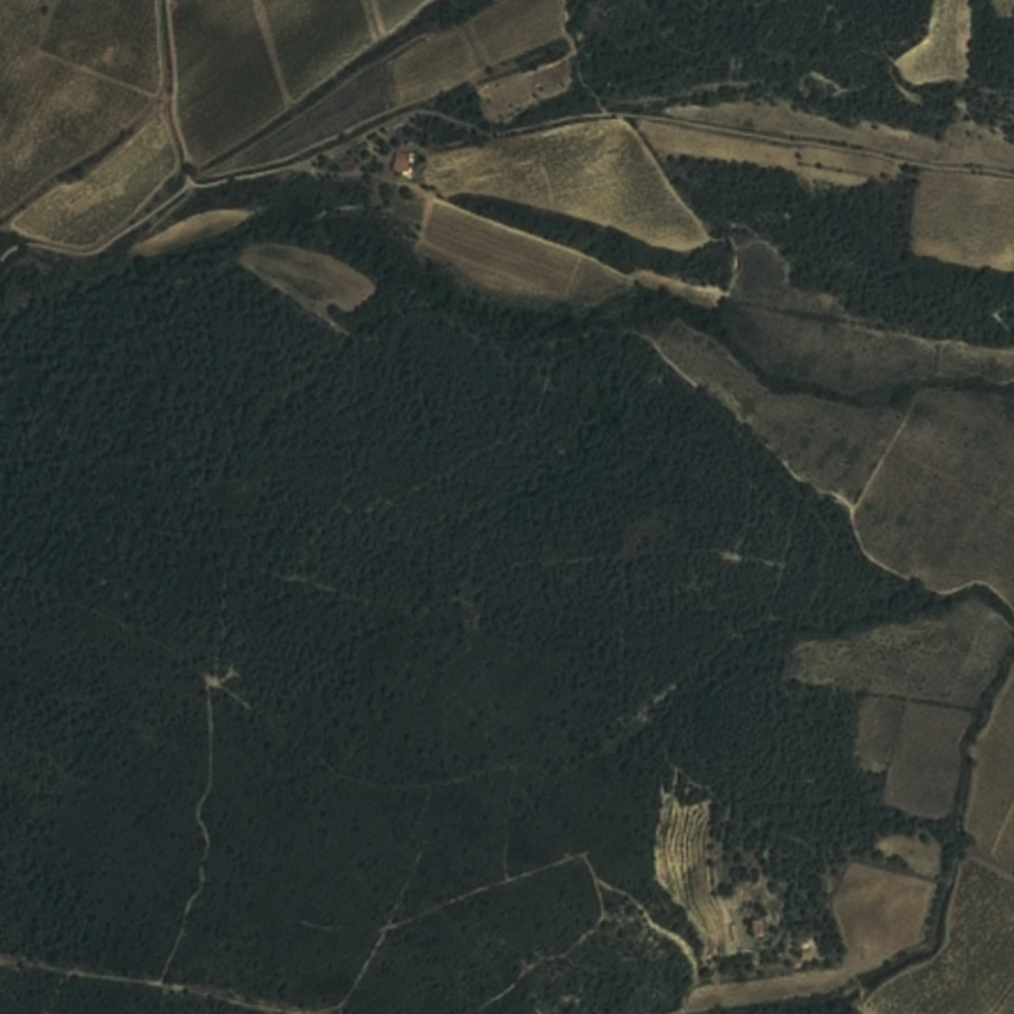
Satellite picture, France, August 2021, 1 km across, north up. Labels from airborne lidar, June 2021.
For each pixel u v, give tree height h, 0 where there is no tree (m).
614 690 8
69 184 0
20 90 0
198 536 15
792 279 7
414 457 9
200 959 0
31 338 9
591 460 17
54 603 7
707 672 12
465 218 0
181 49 0
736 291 0
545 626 6
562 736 0
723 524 10
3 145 0
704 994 0
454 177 0
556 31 0
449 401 9
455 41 0
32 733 8
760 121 0
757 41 9
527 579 8
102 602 6
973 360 0
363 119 0
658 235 0
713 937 0
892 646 0
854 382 0
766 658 9
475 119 10
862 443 0
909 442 0
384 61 0
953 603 13
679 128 0
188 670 9
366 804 0
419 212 0
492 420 10
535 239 0
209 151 0
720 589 9
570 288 0
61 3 0
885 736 0
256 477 12
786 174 10
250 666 10
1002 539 0
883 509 0
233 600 11
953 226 0
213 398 11
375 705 8
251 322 9
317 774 8
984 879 0
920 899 0
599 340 12
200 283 12
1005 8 0
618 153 0
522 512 9
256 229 6
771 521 8
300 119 0
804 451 0
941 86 7
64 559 10
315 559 10
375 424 10
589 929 9
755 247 0
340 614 7
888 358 0
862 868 0
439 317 12
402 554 13
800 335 0
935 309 7
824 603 8
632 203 0
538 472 18
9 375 12
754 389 0
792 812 9
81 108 0
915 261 12
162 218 0
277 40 0
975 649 0
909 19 7
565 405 8
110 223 0
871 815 12
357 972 0
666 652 10
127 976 7
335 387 9
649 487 7
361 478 12
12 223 0
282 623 11
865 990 0
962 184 0
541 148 0
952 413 0
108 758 7
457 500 10
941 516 0
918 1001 0
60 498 6
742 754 12
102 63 0
